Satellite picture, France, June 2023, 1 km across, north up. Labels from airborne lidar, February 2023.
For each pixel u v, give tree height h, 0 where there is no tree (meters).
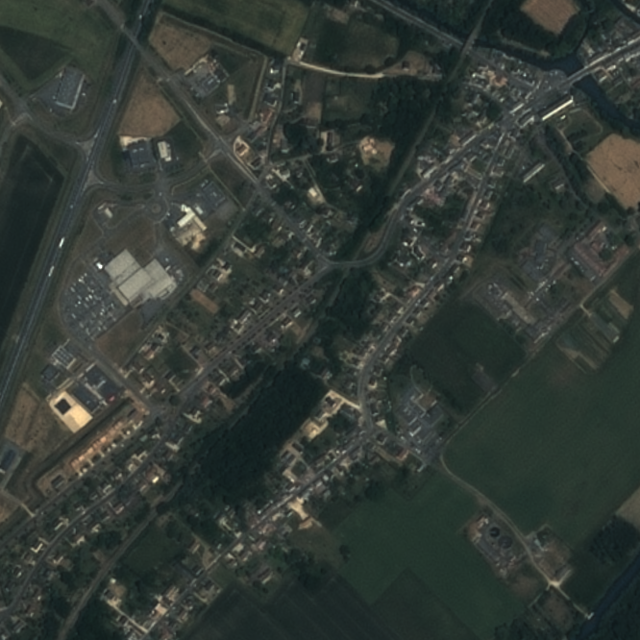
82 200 0
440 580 0
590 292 0
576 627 10
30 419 0
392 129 9
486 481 0
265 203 0
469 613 0
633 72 15
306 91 0
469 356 0
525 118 0
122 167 0
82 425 0
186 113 0
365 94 0
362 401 0
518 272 0
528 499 0
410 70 0
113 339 0
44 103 0
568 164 19
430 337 0
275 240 0
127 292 0
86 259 0
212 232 0
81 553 12
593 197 0
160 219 0
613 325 0
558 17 0
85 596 0
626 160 0
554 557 0
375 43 0
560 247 0
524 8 0
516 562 0
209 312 0
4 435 0
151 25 10
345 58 0
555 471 0
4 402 0
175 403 19
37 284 0
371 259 0
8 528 0
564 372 0
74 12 0
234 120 0
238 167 0
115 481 7
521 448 0
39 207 0
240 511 19
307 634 0
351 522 0
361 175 12
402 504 0
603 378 0
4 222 0
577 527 0
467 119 8
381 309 11
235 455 15
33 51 0
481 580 0
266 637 0
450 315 0
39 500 0
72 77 0
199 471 11
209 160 0
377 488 7
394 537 0
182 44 0
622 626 28
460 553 0
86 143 0
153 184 0
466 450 0
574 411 0
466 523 0
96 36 0
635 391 0
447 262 0
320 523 0
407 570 0
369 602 0
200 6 0
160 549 0
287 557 12
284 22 0
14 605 0
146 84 0
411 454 0
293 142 14
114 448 0
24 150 0
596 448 0
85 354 0
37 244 0
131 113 0
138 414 0
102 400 0
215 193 0
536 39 32
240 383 9
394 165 11
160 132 0
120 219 0
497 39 8
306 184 8
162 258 0
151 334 0
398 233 0
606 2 9
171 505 7
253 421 14
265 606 0
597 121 0
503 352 0
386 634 0
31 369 0
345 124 11
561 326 0
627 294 0
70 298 0
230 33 11
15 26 0
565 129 0
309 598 0
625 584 0
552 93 0
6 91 0
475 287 0
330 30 0
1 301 0
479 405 0
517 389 0
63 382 0
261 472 24
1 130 0
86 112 0
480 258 0
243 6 0
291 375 19
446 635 0
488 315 0
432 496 0
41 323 0
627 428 0
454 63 19
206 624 0
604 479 0
